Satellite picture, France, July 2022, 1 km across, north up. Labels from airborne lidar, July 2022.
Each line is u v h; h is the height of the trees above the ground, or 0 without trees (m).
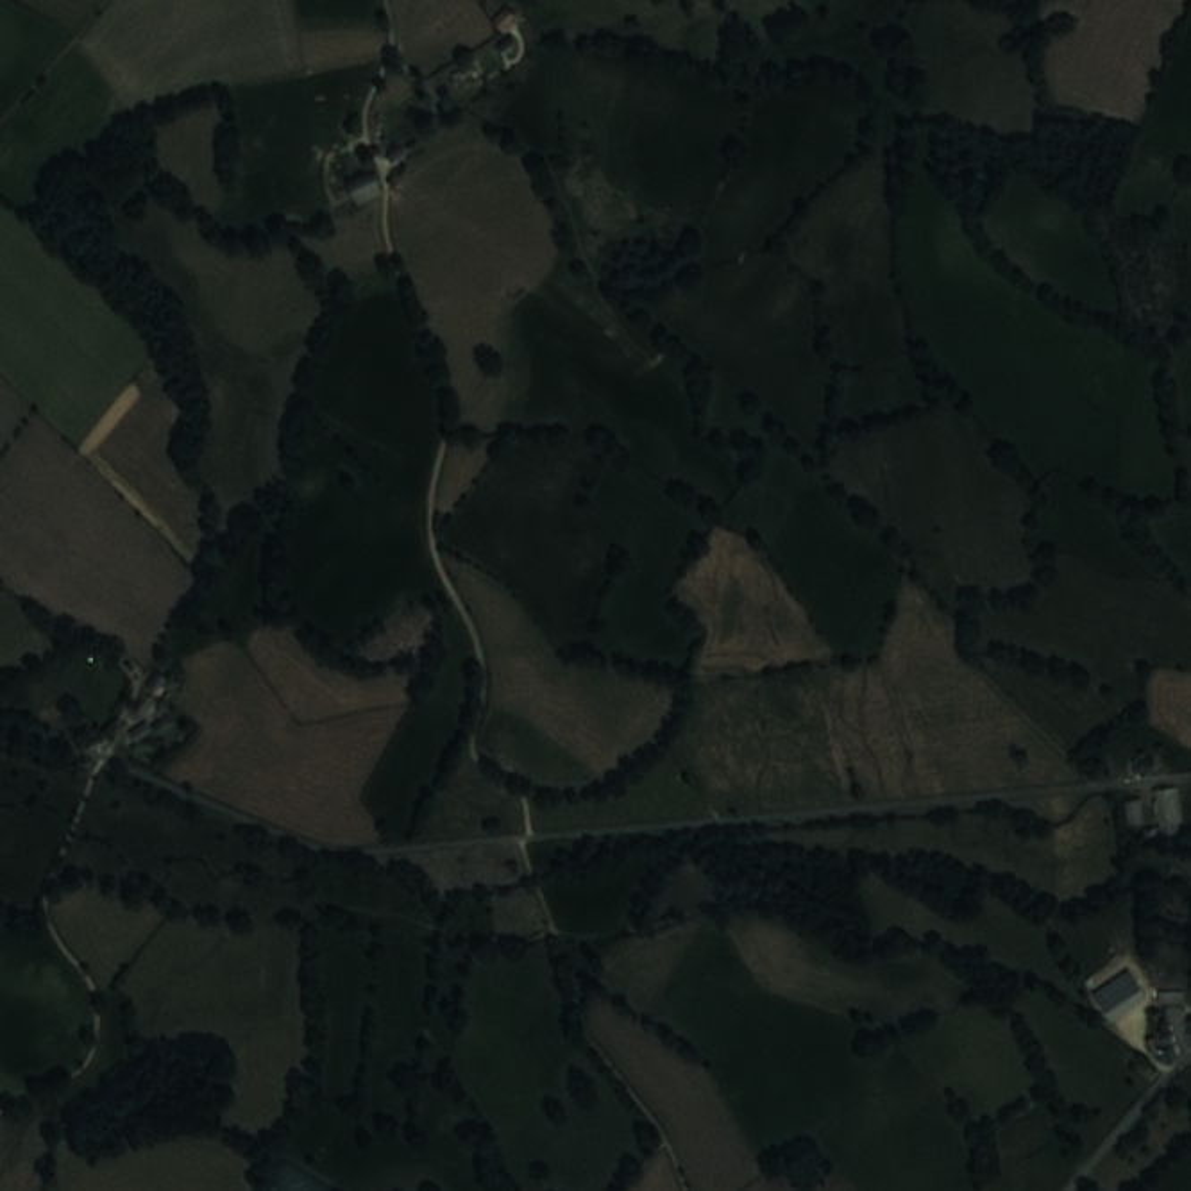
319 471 0
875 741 0
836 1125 0
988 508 0
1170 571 12
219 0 0
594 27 0
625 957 0
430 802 16
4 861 0
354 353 0
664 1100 0
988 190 21
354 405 0
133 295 26
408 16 0
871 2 0
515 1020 0
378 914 0
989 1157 5
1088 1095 0
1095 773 10
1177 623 0
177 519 0
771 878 22
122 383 0
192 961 0
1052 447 0
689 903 0
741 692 0
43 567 0
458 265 0
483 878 0
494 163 0
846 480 0
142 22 0
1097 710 0
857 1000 0
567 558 0
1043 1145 0
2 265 0
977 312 0
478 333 0
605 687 0
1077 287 0
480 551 0
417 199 0
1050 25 9
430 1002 13
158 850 0
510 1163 0
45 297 0
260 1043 0
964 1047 0
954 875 16
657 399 0
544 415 0
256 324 0
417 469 0
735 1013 0
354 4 0
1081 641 0
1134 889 7
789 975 0
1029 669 16
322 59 0
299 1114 17
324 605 0
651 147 0
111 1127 6
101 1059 0
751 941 0
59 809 0
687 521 0
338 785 0
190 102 18
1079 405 0
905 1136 0
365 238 0
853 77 17
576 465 0
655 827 0
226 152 20
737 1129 0
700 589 0
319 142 0
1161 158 0
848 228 0
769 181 0
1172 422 18
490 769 19
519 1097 0
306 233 10
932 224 0
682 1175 8
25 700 0
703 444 7
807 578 0
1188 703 0
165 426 0
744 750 0
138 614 0
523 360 0
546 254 0
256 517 17
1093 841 0
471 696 15
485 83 8
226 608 0
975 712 0
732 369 0
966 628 20
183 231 0
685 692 16
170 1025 0
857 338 0
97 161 25
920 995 0
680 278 18
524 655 0
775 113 0
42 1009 0
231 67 0
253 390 0
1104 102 0
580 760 0
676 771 0
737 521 0
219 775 0
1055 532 0
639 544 0
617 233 0
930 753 0
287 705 0
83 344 0
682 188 0
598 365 0
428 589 0
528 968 0
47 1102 20
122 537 0
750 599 0
